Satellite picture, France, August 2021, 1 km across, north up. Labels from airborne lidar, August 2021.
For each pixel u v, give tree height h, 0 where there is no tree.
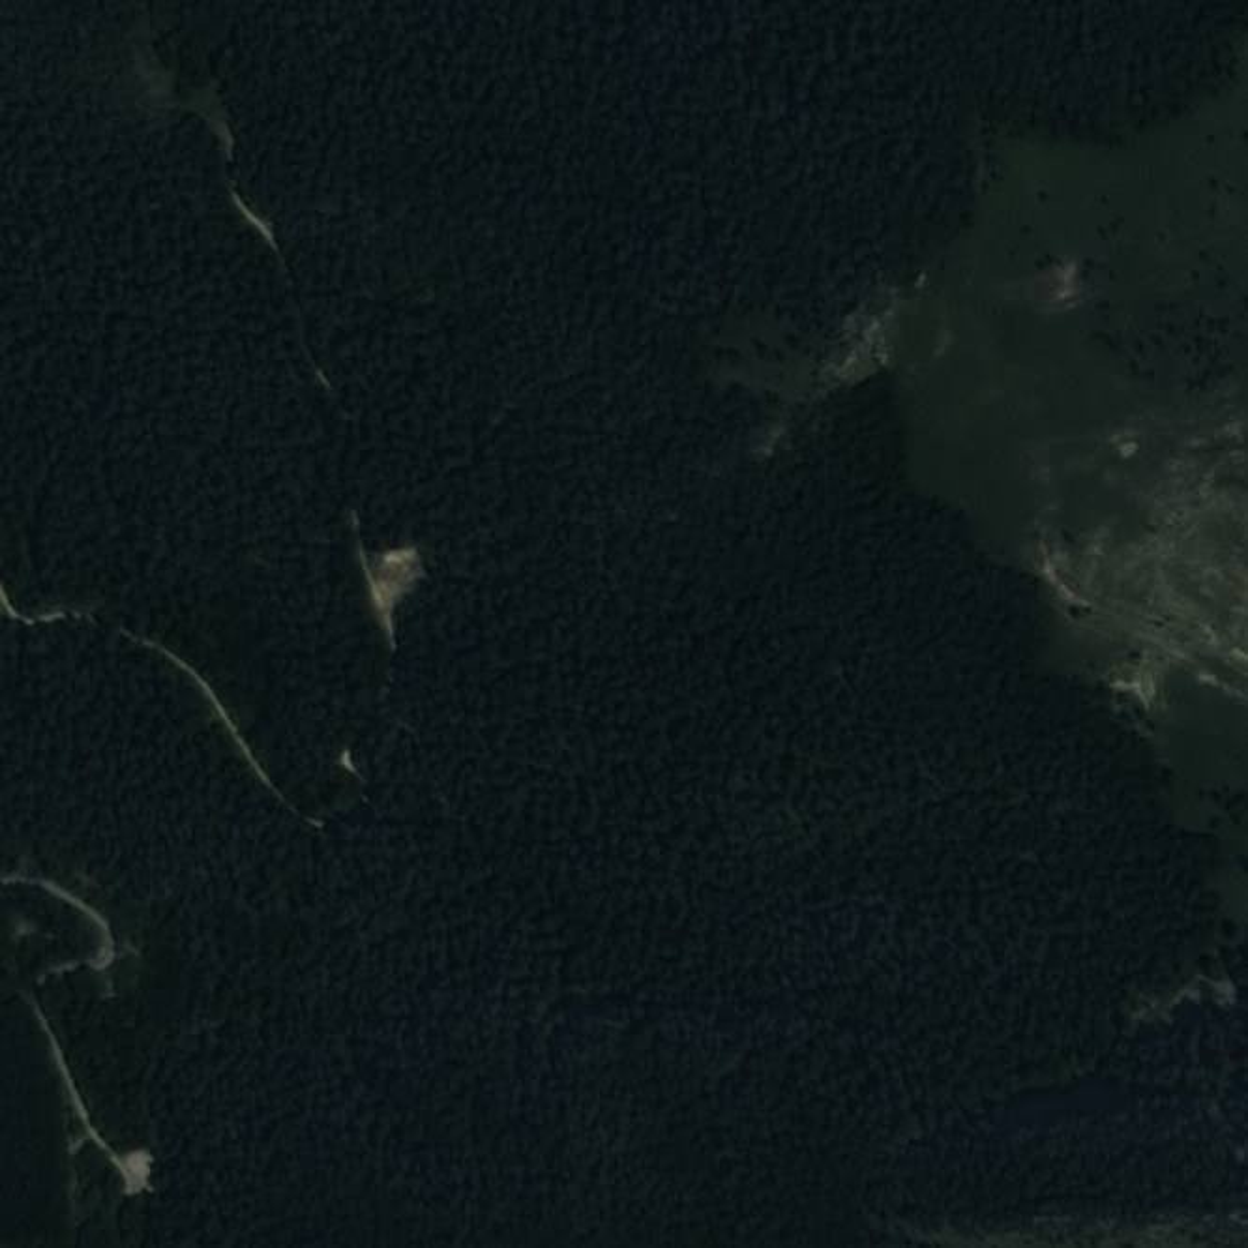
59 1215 13
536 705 12
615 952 21
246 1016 25
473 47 30
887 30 19
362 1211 20
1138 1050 16
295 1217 17
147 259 23
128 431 35
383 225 14
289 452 30
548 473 17
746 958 14
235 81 10
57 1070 14
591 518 22
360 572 8
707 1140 19
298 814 7
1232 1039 24
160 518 29
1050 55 26
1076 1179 10
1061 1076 19
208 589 19
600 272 20
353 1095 26
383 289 11
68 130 20
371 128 14
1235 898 0
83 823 22
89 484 30
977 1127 13
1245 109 0
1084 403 0
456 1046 18
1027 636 15
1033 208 0
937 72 19
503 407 16
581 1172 25
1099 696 11
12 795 22
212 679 10
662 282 12
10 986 8
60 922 12
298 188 21
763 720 23
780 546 28
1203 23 15
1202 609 0
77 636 10
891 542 25
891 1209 8
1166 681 0
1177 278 0
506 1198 20
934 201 23
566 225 18
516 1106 26
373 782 12
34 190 17
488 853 18
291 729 24
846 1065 24
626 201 22
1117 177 0
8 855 16
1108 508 0
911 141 24
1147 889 8
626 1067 23
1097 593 0
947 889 15
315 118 15
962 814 19
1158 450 0
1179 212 0
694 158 17
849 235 19
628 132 19
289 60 23
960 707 18
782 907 17
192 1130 17
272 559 24
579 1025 21
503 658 7
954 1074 18
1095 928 6
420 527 14
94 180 19
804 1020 13
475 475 23
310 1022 16
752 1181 17
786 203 24
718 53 8
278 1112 25
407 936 17
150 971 10
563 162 26
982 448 0
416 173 16
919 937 28
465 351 24
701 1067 17
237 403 22
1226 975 9
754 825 28
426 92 16
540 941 7
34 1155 17
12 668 21
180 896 21
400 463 23
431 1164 27
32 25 14
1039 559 0
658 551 17
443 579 17
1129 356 0
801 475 24
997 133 10
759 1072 23
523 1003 18
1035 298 0
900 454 11
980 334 0
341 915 24
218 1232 22
